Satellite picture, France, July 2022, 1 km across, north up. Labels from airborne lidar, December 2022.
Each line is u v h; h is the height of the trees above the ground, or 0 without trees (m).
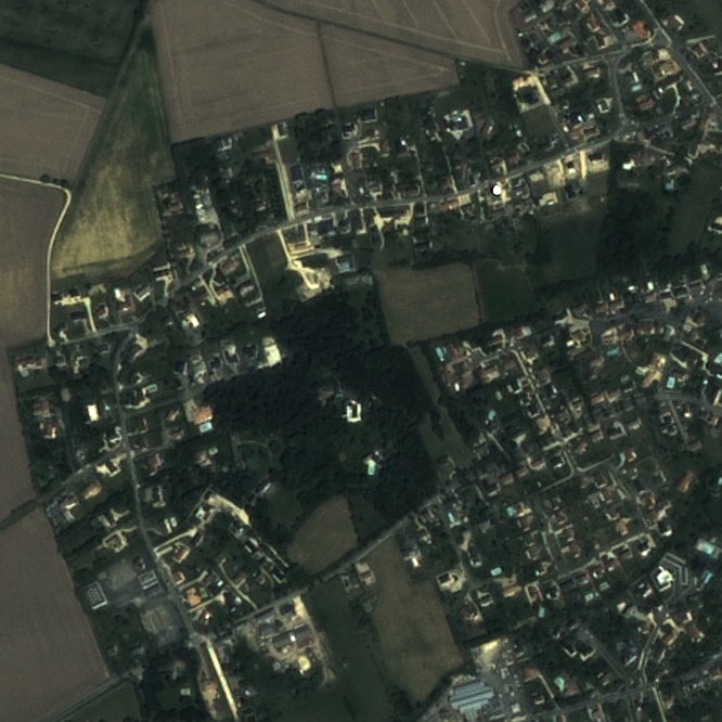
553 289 6
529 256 11
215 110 0
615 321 8
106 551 0
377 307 12
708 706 9
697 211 0
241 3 0
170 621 0
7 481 0
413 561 0
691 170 12
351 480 16
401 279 0
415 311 0
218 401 20
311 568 0
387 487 14
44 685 0
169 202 7
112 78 0
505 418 5
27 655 0
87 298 0
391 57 0
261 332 0
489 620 6
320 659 0
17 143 0
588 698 12
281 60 0
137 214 0
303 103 0
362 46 0
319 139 6
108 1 0
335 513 0
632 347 0
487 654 0
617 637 6
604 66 8
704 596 6
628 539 0
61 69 0
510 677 0
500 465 9
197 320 0
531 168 0
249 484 23
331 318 18
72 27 0
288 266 0
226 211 10
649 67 0
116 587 0
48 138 0
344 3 0
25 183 0
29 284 0
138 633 0
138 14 11
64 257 0
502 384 6
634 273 11
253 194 9
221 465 10
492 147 10
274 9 0
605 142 0
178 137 0
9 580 0
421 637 0
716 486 9
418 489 21
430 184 12
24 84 0
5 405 0
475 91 0
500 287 0
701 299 0
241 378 11
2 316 0
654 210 11
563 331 6
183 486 16
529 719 0
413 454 21
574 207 0
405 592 0
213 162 7
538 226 6
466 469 8
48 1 0
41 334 0
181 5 0
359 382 17
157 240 0
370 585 0
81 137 0
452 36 0
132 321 0
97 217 0
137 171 0
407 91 0
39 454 12
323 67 0
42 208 0
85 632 0
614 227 7
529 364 7
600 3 0
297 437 18
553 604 8
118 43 0
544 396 8
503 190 0
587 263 0
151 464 0
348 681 0
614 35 0
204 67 0
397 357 15
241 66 0
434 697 12
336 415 11
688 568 8
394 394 19
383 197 6
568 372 12
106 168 0
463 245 0
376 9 0
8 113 0
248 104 0
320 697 0
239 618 7
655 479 8
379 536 8
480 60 0
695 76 0
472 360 0
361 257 0
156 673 15
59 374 21
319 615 0
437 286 0
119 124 0
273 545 16
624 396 0
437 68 0
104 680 0
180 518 6
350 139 0
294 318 15
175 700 0
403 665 0
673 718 12
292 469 20
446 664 0
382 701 0
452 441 0
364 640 0
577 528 0
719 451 0
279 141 0
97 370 17
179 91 0
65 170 0
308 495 14
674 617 0
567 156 0
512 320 10
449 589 0
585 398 6
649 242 5
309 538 0
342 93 0
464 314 0
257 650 0
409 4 0
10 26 0
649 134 0
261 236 0
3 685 0
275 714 0
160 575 0
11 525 0
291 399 21
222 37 0
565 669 12
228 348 0
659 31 0
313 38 0
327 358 20
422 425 14
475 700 0
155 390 0
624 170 0
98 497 0
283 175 0
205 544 0
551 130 0
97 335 0
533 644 12
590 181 0
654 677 7
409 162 0
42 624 0
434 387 0
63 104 0
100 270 0
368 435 9
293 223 0
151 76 0
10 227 0
